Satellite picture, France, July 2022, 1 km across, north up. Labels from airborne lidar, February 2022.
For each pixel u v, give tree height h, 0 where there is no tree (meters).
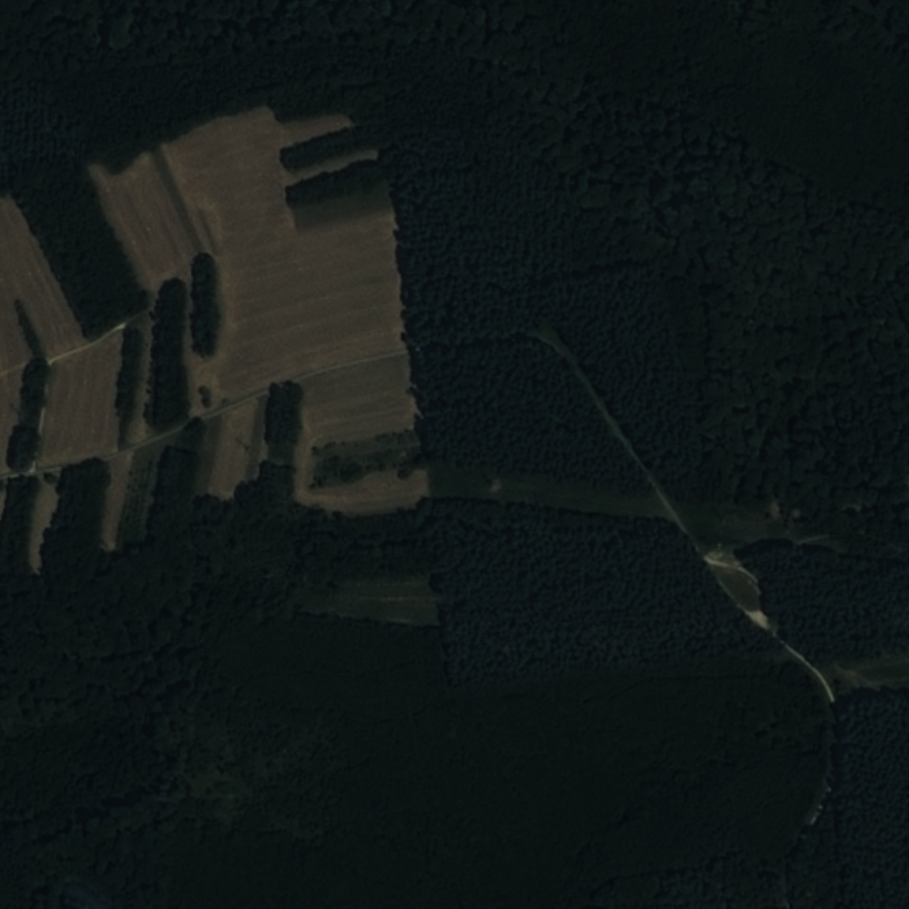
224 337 0
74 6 32
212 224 0
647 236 30
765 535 0
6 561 10
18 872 23
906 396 36
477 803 13
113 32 31
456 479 0
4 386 0
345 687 11
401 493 0
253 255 0
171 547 28
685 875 25
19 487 10
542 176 22
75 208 13
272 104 19
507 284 33
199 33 32
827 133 14
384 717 7
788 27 11
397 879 14
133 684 30
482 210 23
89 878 26
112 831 32
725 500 17
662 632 28
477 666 31
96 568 10
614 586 35
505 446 37
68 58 31
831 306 32
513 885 16
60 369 0
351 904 15
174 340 18
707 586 34
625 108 35
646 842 14
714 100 11
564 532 26
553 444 33
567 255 20
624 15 11
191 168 0
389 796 9
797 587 25
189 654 28
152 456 0
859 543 7
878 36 22
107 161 0
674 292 17
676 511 0
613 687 12
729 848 12
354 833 11
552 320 33
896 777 34
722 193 35
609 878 14
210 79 12
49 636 27
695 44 13
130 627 35
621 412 37
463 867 15
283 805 8
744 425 33
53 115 23
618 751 7
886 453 25
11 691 31
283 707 7
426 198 34
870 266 36
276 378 0
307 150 14
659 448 35
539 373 40
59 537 21
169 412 19
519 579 29
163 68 13
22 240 0
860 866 31
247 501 28
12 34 26
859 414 23
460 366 32
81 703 27
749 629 29
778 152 12
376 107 21
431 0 29
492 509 18
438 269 31
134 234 0
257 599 11
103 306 12
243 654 14
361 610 0
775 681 7
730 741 12
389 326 0
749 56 14
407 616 0
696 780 9
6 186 18
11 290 0
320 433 0
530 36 29
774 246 23
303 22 31
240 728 7
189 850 15
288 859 13
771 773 16
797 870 24
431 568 21
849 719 30
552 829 12
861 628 27
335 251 0
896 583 27
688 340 20
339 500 0
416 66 17
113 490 0
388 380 0
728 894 24
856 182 15
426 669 12
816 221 34
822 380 11
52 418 0
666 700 9
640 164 21
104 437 0
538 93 30
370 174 20
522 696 10
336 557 16
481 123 18
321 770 8
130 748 9
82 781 9
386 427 0
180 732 29
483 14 27
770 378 32
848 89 15
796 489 31
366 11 33
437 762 9
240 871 14
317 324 0
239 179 0
